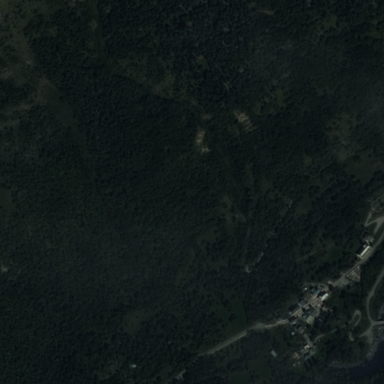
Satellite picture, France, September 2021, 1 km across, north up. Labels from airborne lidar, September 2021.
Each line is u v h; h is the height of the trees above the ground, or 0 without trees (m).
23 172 20
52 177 20
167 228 21
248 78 19
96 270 20
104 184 19
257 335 19
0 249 14
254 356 15
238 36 20
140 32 17
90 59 18
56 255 19
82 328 17
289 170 21
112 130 21
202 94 26
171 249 22
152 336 9
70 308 18
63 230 20
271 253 21
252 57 15
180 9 15
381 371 35
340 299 11
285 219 11
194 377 12
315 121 32
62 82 16
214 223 16
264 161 13
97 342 19
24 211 17
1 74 9
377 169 0
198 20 18
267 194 10
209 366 13
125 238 23
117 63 8
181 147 19
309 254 15
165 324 21
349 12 29
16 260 18
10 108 20
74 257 22
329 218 23
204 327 23
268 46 13
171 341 20
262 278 23
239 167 13
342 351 12
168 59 16
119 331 11
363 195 18
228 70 22
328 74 21
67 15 17
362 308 15
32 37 10
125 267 28
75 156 18
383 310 0
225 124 17
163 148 20
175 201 20
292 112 21
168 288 24
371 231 0
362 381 28
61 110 0
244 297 10
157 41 13
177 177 18
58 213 23
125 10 18
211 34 17
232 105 20
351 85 22
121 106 19
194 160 10
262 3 18
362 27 17
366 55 24
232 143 17
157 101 14
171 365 14
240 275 18
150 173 22
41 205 21
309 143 25
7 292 12
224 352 7
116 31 15
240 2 14
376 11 10
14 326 15
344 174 18
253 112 11
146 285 17
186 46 14
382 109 21
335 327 0
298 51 14
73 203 18
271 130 18
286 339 12
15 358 8
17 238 18
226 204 8
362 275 14
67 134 8
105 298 17
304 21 22
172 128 18
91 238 20
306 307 0
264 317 9
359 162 20
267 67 19
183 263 22
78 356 23
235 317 11
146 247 22
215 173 12
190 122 15
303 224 13
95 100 16
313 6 20
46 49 14
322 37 13
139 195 24
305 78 15
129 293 25
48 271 8
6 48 7
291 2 28
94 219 22
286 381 17
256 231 16
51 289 19
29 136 11
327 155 20
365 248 0
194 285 22
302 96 19
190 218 21
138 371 13
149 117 14
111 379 9
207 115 17
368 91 22
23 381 12
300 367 0
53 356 16
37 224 10
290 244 21
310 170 18
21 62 6
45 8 0
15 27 7
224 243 18
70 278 18
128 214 18
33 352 9
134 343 9
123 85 12
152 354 19
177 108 16
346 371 14
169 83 7
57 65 23
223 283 19
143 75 8
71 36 12
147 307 19
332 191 17
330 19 13
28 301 9
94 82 20
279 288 17
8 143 7
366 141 26
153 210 24
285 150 22
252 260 16
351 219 24
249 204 14
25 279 19
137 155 21
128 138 19
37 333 17
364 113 19
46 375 18
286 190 14
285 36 16
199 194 20
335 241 21
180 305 24
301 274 15
